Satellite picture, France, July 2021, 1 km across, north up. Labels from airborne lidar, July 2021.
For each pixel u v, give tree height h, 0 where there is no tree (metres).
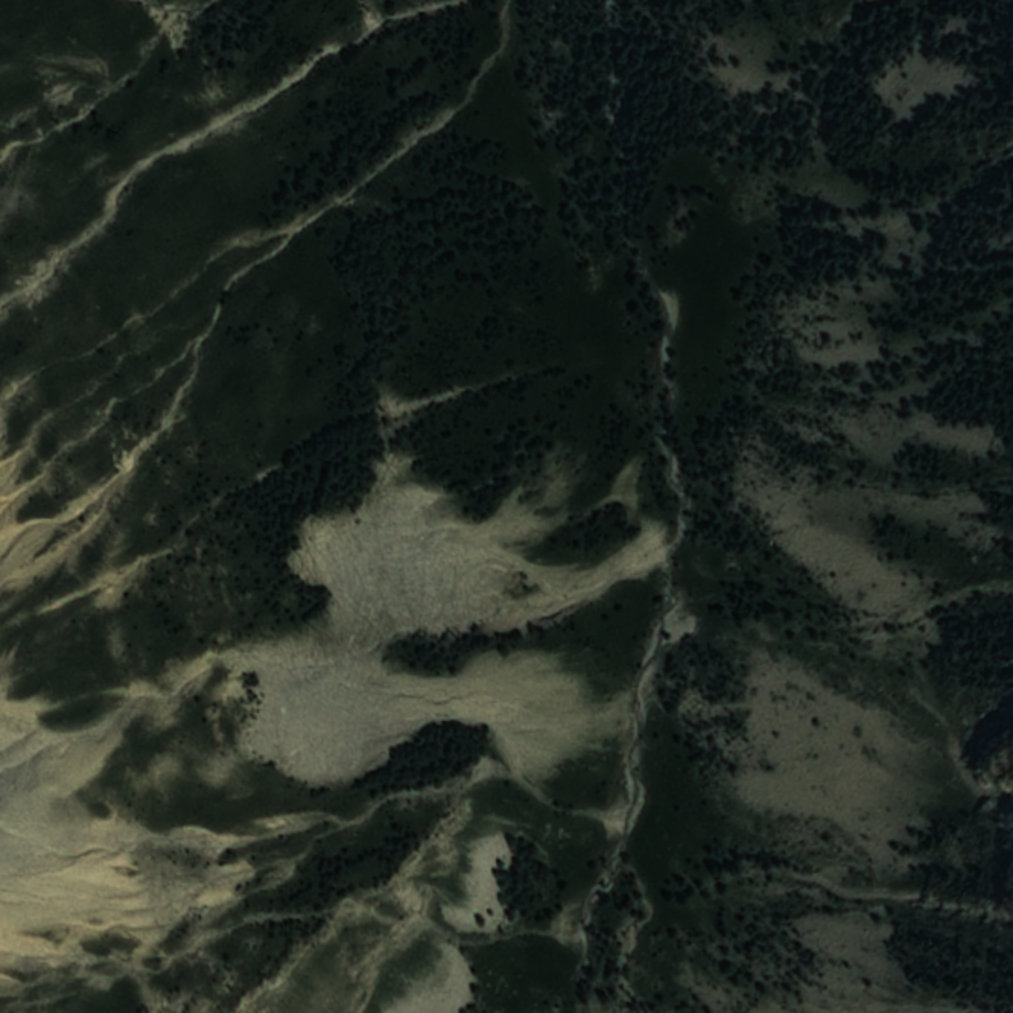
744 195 0
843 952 0
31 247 0
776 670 0
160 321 0
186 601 0
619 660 0
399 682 0
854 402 6
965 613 10
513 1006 0
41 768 0
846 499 0
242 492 10
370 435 9
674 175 0
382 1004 0
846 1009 0
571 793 0
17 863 0
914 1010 0
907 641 0
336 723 0
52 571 0
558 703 0
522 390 12
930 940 11
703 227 0
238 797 0
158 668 0
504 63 0
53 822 0
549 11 11
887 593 0
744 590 15
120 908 0
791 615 22
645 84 31
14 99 0
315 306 0
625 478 0
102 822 0
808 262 28
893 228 0
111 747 0
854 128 27
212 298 0
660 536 0
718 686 10
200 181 0
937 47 13
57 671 0
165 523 0
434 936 0
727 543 10
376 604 0
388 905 0
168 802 0
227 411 0
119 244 0
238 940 0
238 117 0
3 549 0
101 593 0
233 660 0
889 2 10
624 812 0
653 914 0
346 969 0
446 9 8
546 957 0
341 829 0
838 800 0
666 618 0
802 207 13
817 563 0
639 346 0
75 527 0
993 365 15
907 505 0
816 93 27
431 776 11
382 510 0
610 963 10
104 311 0
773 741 0
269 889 0
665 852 0
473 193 13
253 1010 0
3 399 0
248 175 0
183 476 0
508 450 16
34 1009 0
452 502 0
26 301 0
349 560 0
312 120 12
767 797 0
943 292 13
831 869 0
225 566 0
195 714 0
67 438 0
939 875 6
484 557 0
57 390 0
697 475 9
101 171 0
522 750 0
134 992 0
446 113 0
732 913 0
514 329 11
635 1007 14
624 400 0
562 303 0
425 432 8
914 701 0
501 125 0
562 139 14
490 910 10
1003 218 13
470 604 0
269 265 0
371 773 12
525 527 0
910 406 13
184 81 0
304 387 0
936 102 24
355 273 14
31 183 0
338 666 0
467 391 8
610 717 0
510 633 11
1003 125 7
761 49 0
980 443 0
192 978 0
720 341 0
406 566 0
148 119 0
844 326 0
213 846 0
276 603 7
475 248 11
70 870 0
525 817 0
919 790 0
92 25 0
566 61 9
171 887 0
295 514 18
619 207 12
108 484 0
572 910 0
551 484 0
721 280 0
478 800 0
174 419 0
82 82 0
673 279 0
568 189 16
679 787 0
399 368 6
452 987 0
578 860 0
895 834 0
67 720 0
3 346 0
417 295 22
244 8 11
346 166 9
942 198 15
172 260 0
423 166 13
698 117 20
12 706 0
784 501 0
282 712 0
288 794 0
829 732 0
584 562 0
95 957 0
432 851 0
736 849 6
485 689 0
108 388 0
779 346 15
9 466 0
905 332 14
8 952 0
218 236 0
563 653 0
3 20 0
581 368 0
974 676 7
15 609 0
